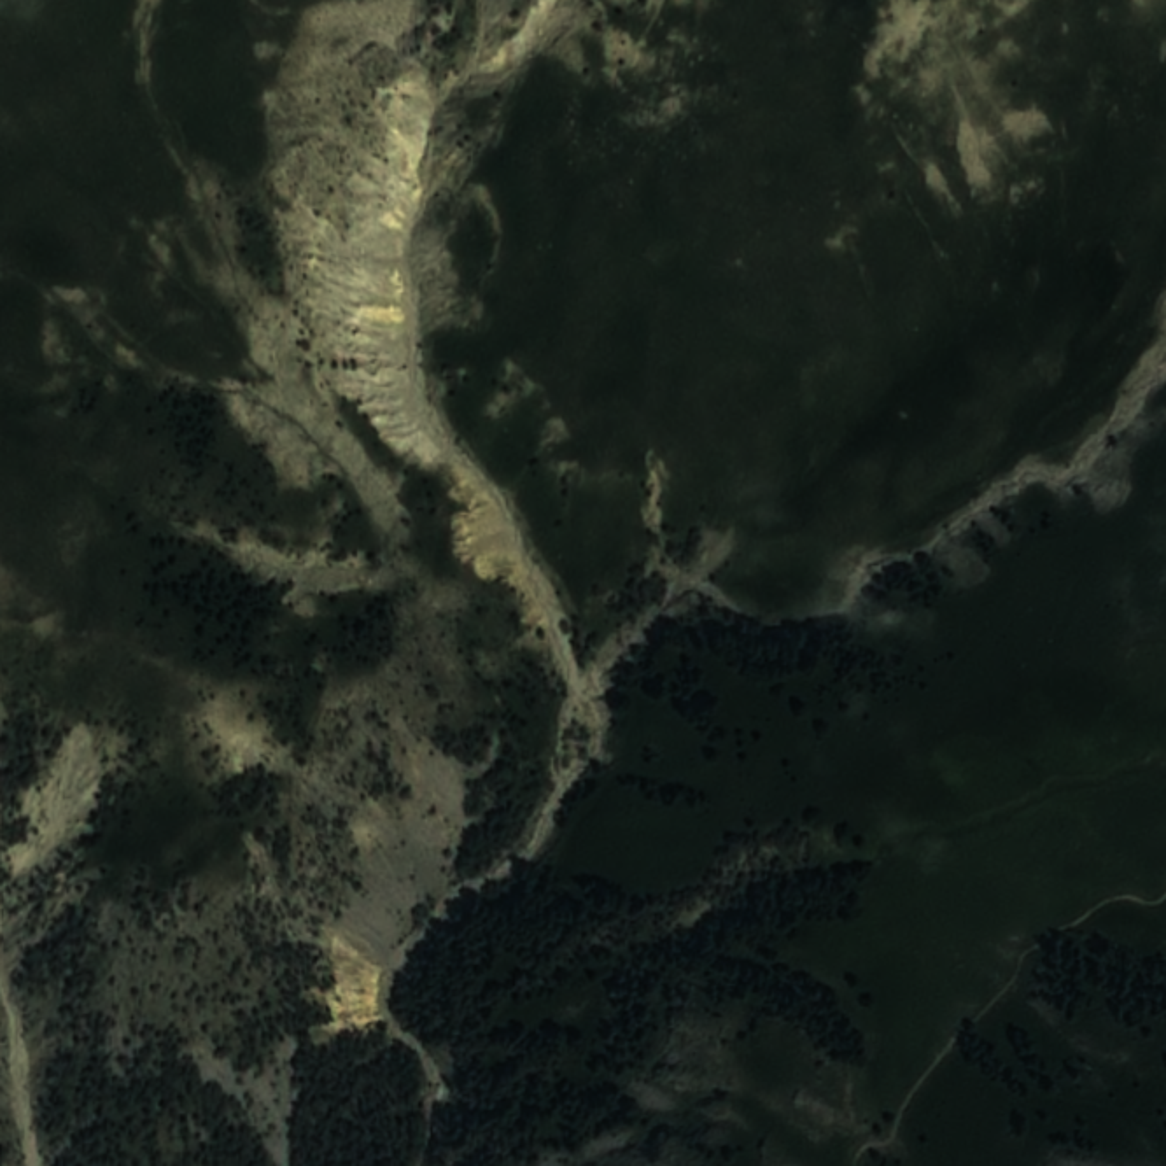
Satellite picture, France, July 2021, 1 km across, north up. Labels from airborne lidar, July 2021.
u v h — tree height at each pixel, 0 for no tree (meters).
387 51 0
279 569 0
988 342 0
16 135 0
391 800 0
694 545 11
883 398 0
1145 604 0
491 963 18
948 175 0
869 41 0
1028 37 0
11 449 0
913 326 0
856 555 0
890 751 0
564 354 0
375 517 0
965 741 0
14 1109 0
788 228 0
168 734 0
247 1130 13
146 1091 8
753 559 0
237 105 0
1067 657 0
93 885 8
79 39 0
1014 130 0
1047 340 0
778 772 0
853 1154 0
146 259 0
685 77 0
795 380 0
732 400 0
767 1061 0
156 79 0
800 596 0
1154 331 0
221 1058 8
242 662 9
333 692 0
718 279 0
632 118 0
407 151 0
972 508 0
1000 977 0
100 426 0
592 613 0
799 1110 0
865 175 0
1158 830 0
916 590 12
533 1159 7
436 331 0
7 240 0
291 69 0
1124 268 0
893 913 0
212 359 0
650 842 0
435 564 0
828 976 0
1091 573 0
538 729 0
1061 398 0
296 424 0
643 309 0
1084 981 18
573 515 0
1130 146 0
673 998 12
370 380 0
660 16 0
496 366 0
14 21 0
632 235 0
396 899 0
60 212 0
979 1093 0
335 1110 17
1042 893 0
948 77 0
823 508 0
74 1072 12
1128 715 0
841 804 0
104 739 0
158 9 0
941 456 0
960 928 0
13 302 0
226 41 0
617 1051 18
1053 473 0
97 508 0
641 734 0
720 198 0
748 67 0
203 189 0
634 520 0
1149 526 0
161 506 0
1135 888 0
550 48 0
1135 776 0
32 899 9
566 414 0
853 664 16
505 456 0
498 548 0
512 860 0
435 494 6
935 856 0
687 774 0
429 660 0
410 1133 14
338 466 0
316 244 0
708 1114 0
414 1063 18
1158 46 0
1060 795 0
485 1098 24
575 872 0
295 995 9
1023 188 0
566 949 10
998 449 0
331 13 0
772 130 0
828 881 24
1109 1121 0
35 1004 0
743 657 25
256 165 0
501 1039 16
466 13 0
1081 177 0
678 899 8
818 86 0
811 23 0
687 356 0
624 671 15
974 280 0
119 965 0
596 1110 18
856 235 0
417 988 26
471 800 7
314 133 0
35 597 0
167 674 0
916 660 0
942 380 0
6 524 0
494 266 0
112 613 0
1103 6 0
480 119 0
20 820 6
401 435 0
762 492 0
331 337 0
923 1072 0
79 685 0
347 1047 14
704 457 0
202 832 0
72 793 0
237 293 0
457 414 0
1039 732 0
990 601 0
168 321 0
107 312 0
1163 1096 0
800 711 17
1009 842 0
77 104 0
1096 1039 0
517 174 0
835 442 0
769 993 21
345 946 0
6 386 0
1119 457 0
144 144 0
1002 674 0
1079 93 0
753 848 8
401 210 0
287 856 6
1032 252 0
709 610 9
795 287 0
